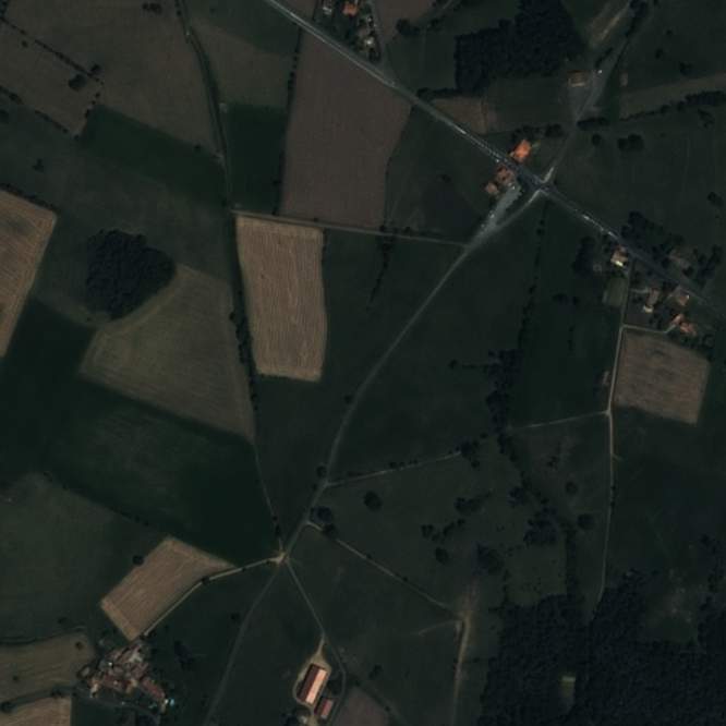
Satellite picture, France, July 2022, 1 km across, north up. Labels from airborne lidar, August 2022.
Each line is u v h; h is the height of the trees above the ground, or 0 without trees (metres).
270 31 0
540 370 0
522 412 0
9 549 0
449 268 0
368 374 0
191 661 20
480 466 16
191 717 0
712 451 0
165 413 0
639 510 0
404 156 0
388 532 0
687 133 0
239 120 0
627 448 0
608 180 0
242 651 0
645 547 0
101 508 0
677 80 0
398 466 12
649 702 20
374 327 0
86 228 0
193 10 0
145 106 0
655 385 0
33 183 0
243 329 11
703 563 0
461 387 0
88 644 0
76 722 0
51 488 0
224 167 0
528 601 0
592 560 0
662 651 15
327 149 0
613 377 0
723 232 0
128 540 0
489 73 20
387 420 0
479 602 0
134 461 0
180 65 0
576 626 14
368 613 0
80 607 0
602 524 0
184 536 0
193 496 0
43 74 0
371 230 0
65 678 0
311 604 0
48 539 0
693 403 0
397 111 0
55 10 0
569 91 0
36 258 0
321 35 0
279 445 0
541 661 14
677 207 0
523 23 22
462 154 0
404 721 0
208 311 0
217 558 0
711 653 16
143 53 0
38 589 0
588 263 21
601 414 0
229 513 0
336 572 0
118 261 11
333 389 0
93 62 0
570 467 0
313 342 0
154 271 16
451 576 0
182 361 0
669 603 0
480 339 0
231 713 0
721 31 0
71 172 0
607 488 0
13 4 0
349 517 0
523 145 0
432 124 0
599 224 0
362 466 0
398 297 0
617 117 0
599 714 15
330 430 0
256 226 0
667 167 0
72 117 0
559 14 24
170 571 0
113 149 0
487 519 0
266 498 0
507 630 8
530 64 20
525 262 0
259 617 0
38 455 0
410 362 0
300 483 0
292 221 0
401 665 0
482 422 0
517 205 11
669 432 0
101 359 0
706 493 0
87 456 0
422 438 0
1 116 18
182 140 0
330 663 0
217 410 0
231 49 0
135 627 0
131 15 0
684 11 0
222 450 0
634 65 0
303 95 0
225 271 0
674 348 0
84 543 0
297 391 0
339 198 0
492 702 18
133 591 0
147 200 0
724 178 0
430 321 0
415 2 0
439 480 0
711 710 17
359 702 0
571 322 0
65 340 0
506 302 0
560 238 0
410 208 0
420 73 0
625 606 16
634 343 0
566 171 0
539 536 19
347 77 0
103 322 0
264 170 0
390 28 0
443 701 0
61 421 0
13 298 0
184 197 0
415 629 0
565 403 0
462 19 0
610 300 0
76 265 0
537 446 0
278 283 0
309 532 0
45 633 0
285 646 0
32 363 0
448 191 0
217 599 0
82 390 0
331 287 0
